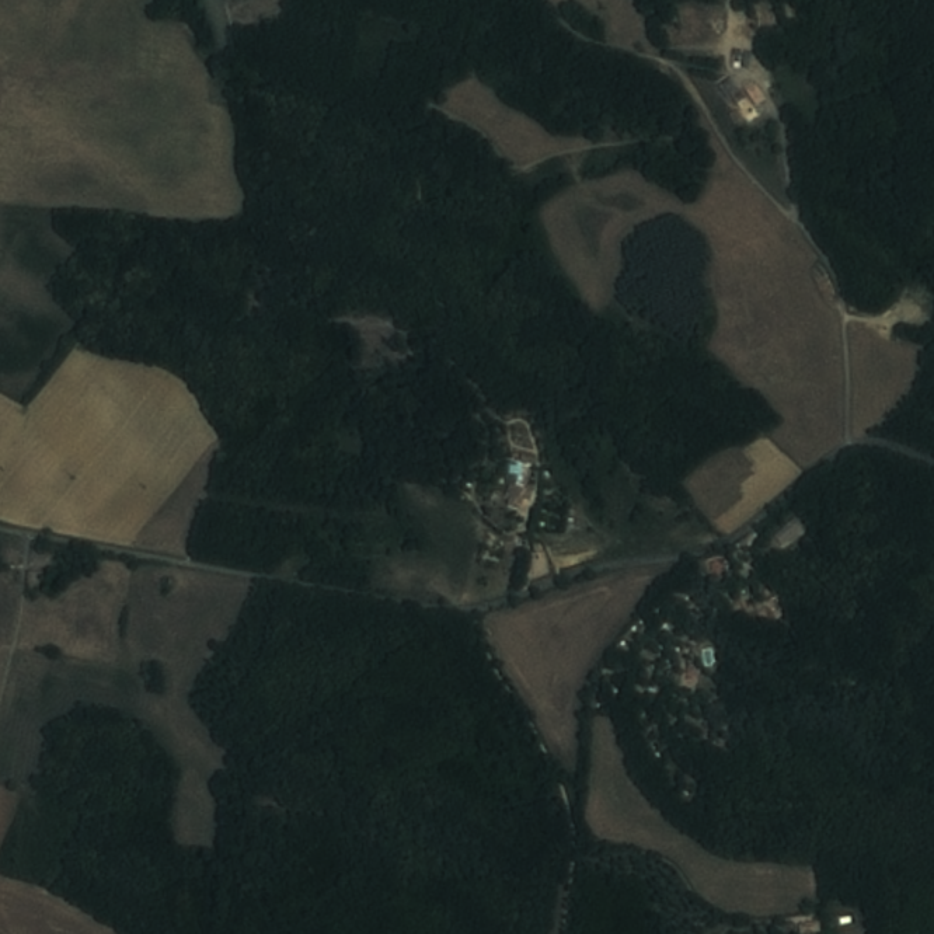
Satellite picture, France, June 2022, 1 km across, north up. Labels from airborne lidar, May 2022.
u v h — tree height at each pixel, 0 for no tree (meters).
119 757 18
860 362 0
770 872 0
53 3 0
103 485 0
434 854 11
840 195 17
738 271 0
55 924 0
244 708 17
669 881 20
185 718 0
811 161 19
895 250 15
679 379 15
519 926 11
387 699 16
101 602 0
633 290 16
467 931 12
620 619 0
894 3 23
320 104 16
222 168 0
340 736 19
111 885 22
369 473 14
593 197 0
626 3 0
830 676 8
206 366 20
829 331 0
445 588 0
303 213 18
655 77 19
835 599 17
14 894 0
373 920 10
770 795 17
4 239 0
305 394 20
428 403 29
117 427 0
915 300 0
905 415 10
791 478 0
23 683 0
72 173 0
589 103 18
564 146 0
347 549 9
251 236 10
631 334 15
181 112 0
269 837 18
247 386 20
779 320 0
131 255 26
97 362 0
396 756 18
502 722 15
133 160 0
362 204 16
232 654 9
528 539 7
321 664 16
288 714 13
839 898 16
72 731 15
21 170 0
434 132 24
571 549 0
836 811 20
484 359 16
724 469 0
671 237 16
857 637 23
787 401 0
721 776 19
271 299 25
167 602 0
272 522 17
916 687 21
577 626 0
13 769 0
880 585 20
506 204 16
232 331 19
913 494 17
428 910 12
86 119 0
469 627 18
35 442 0
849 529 20
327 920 7
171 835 10
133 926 11
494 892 14
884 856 13
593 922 10
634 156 7
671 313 14
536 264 21
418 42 11
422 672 12
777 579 15
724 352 0
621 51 11
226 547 14
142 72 0
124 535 0
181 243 19
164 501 0
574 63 15
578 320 24
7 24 0
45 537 14
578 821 14
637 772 18
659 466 15
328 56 13
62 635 0
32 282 0
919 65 15
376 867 10
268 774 23
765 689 24
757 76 0
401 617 17
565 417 21
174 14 12
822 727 22
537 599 14
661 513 7
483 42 10
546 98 15
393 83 14
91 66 0
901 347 0
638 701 17
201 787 0
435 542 0
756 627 21
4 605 0
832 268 8
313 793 16
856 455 19
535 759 7
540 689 0
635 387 12
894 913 13
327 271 15
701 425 7
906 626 16
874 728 21
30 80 0
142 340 19
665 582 15
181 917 7
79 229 15
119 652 0
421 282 16
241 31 13
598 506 7
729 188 0
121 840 16
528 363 14
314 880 11
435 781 16
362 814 19
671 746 17
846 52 24
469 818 15
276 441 14
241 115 9
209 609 0
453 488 11
